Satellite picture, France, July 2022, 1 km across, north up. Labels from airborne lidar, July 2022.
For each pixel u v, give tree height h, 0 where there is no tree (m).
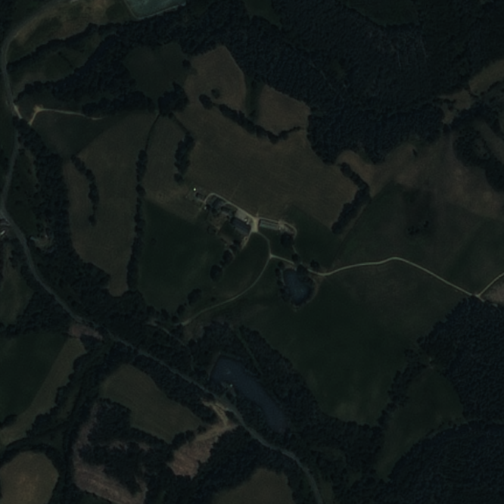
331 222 0
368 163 0
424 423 0
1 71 9
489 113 20
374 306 0
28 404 0
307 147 0
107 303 18
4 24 22
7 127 0
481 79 0
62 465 25
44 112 0
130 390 0
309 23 18
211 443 0
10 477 0
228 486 15
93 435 19
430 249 0
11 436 0
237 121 18
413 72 23
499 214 0
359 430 18
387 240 0
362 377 0
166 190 0
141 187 6
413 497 23
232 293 0
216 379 0
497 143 0
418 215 0
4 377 0
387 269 0
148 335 12
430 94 18
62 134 0
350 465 12
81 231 0
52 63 0
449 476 10
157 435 0
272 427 0
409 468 20
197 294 18
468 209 0
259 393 0
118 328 22
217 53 0
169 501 18
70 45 17
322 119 10
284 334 0
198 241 0
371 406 0
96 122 0
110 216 0
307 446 12
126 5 0
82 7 0
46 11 0
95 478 0
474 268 0
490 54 25
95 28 14
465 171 0
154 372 14
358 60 19
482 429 18
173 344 20
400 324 0
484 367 27
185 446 0
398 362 0
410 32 22
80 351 0
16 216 0
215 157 0
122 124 0
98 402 9
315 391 0
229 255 19
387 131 20
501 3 25
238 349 20
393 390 8
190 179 0
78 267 6
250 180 0
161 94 0
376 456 21
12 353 0
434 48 17
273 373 20
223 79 0
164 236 0
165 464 24
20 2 0
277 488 0
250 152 0
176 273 0
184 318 0
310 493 6
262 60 22
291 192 0
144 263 0
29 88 15
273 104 0
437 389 0
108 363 21
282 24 15
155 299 0
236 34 18
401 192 0
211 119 0
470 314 25
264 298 0
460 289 0
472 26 30
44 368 0
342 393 0
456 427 13
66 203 21
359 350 0
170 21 24
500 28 26
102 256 0
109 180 0
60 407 10
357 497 17
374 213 0
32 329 11
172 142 0
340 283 0
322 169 0
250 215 0
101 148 0
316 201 0
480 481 23
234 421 14
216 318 0
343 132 20
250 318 0
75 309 12
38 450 10
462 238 0
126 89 16
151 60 0
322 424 14
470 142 7
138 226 14
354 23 15
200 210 0
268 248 0
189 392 17
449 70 23
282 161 0
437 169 0
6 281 0
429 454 20
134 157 0
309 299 14
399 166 0
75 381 20
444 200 0
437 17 21
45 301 10
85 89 18
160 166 0
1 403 0
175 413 0
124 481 18
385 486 13
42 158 14
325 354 0
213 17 21
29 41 0
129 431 19
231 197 0
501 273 0
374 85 6
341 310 0
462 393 24
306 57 19
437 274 0
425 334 0
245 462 18
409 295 0
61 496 9
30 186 0
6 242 9
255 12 0
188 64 19
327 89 22
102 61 24
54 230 6
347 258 0
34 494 0
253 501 0
